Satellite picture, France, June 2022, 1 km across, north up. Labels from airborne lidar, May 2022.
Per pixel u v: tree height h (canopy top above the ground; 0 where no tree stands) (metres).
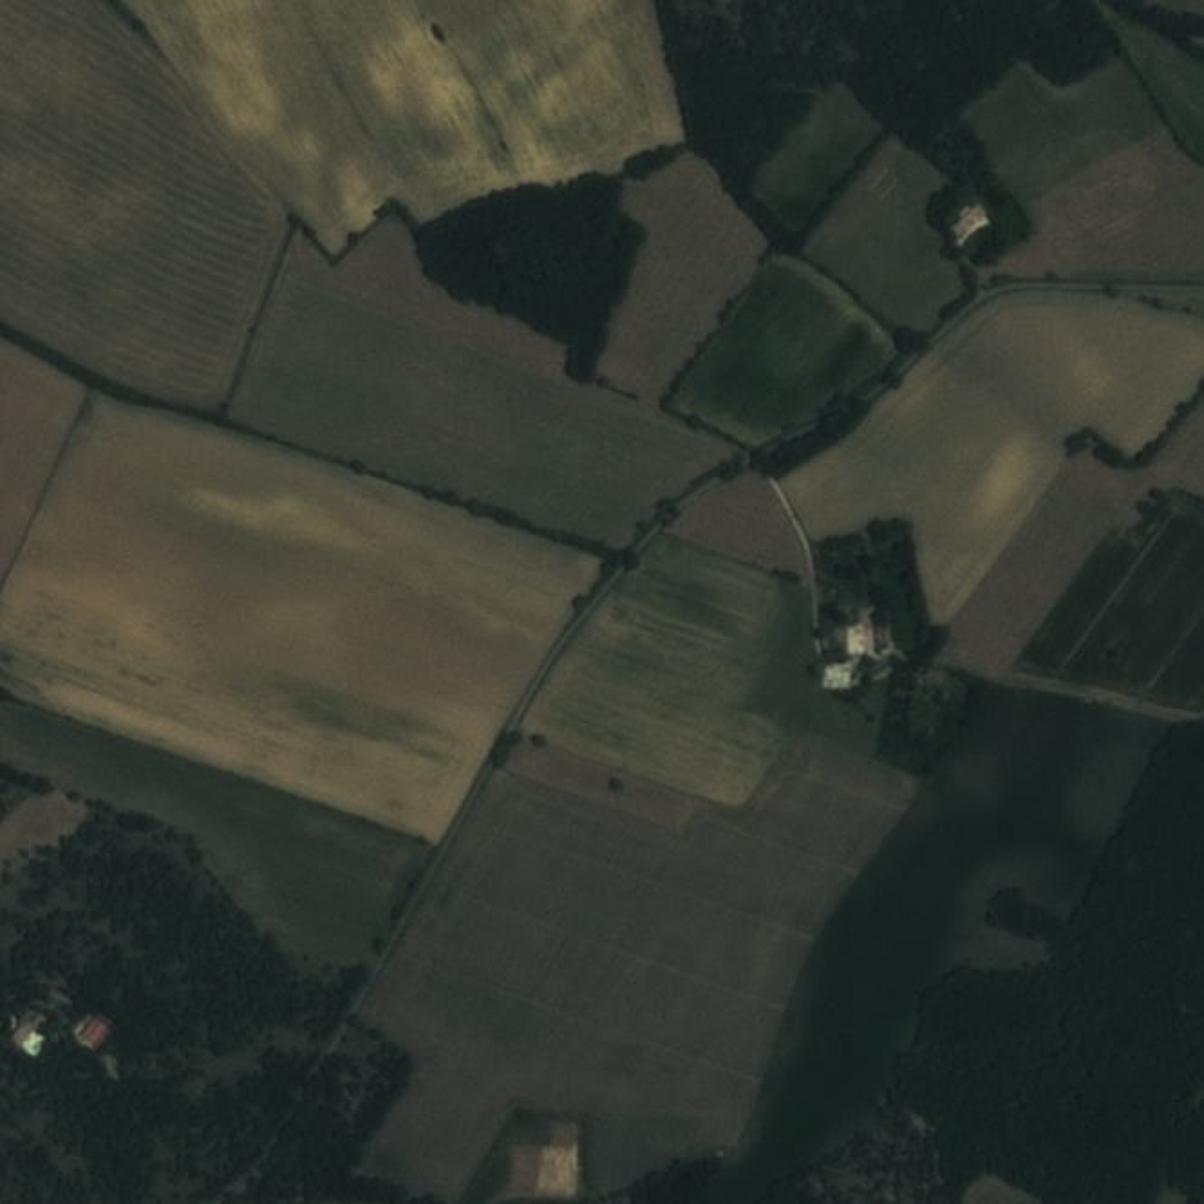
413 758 0
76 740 0
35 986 9
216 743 0
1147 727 0
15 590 0
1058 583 0
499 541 0
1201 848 13
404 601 0
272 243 0
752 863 0
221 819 0
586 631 0
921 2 12
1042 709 0
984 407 0
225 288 0
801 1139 0
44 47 0
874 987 0
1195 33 15
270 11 0
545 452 0
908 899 0
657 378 0
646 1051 0
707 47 8
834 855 0
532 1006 0
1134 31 0
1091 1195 10
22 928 9
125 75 0
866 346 0
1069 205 0
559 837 0
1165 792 18
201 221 0
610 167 0
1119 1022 14
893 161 0
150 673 0
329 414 0
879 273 0
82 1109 8
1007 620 0
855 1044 0
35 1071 10
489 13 0
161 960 6
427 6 0
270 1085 11
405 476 0
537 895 0
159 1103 12
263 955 9
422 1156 0
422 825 0
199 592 0
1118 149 0
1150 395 0
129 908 8
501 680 0
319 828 0
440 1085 0
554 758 0
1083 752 0
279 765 0
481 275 16
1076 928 14
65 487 0
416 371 0
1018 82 0
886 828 0
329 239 0
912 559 7
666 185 0
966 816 0
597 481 0
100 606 0
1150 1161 14
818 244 0
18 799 0
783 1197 12
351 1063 10
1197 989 14
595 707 0
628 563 16
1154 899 14
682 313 0
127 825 13
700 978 0
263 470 0
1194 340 0
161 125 0
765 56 11
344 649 0
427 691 0
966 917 0
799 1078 0
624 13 0
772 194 0
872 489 0
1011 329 0
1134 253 0
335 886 0
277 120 0
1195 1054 13
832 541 10
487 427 0
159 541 0
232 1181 11
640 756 0
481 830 0
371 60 0
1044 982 12
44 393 0
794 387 0
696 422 11
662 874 0
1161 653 0
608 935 0
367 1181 12
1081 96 0
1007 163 0
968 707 9
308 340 0
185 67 0
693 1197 11
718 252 0
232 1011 8
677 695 0
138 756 0
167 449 0
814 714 0
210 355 0
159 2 0
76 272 0
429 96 0
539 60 0
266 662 0
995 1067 15
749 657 0
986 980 13
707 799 0
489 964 0
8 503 0
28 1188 7
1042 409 0
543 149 0
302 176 0
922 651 9
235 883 0
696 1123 0
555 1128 0
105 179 0
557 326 17
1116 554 0
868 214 0
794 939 0
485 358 0
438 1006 0
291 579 0
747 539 0
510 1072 0
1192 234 0
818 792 0
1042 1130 17
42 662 0
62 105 0
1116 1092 16
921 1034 10
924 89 13
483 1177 0
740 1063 0
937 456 0
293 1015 10
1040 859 0
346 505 0
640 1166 0
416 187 0
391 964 0
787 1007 0
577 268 20
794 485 0
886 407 0
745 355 0
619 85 0
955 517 0
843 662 14
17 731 0
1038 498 0
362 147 0
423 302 0
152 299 0
